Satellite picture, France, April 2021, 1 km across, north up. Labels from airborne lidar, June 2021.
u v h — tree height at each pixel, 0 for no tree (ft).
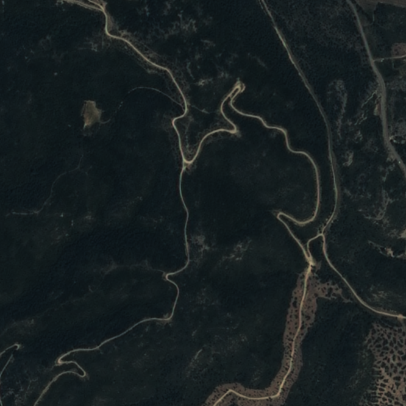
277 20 20
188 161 0
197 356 0
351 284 0
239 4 26
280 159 0
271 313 0
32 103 0
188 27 0
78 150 0
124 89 18
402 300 0
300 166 0
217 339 0
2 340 0
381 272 0
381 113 0
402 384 0
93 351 0
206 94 0
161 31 0
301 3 24
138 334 0
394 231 0
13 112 0
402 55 0
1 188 18
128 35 0
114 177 19
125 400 0
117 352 0
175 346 0
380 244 0
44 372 0
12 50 0
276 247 0
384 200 0
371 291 0
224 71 0
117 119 19
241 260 0
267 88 0
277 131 0
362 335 0
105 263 0
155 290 0
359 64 28
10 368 0
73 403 0
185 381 0
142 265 0
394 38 0
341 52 24
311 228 0
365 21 0
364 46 33
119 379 0
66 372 0
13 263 0
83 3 0
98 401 0
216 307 0
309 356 0
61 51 0
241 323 0
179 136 0
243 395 0
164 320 0
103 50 0
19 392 0
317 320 26
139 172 0
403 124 0
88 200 0
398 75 0
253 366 0
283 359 0
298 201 0
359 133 23
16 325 0
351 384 0
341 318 0
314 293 0
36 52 0
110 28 0
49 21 20
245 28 21
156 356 0
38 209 0
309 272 0
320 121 22
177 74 0
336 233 20
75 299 0
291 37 21
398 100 0
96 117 0
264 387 0
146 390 0
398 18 0
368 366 0
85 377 0
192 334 0
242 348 0
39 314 0
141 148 0
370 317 28
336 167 0
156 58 0
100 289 0
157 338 0
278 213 0
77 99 17
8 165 0
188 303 0
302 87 25
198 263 0
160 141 0
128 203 0
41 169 18
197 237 0
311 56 21
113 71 0
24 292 19
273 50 31
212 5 20
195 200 0
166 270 0
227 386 0
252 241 0
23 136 0
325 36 24
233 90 0
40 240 0
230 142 0
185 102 0
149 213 0
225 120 0
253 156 0
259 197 0
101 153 0
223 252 0
